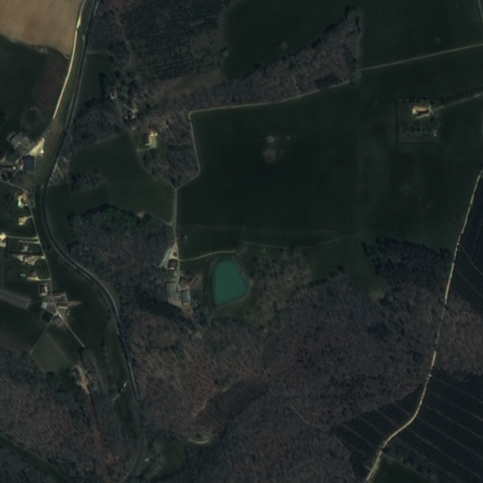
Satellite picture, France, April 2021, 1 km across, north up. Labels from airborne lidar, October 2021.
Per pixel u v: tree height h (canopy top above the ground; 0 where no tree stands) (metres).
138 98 12
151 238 18
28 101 0
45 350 0
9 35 0
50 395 7
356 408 10
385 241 0
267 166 0
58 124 0
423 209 0
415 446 9
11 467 16
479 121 0
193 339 14
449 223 0
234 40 0
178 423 16
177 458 0
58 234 0
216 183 0
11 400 18
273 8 0
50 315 0
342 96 0
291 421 8
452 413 10
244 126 0
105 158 0
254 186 0
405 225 0
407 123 7
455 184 0
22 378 22
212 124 0
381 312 17
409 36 0
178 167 19
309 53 11
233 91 12
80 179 16
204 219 0
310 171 0
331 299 18
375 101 0
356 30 6
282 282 15
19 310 0
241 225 0
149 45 6
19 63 0
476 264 9
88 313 0
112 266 19
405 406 8
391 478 0
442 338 17
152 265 17
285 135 0
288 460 12
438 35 0
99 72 0
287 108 0
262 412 6
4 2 0
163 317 20
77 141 15
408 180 0
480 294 9
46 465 0
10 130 0
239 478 16
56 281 0
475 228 9
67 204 0
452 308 15
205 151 0
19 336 0
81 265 14
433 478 20
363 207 0
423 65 0
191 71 7
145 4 9
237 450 17
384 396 11
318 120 0
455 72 0
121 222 21
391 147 0
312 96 0
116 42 16
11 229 0
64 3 0
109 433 14
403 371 9
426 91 0
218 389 24
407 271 22
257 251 0
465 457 10
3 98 0
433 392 8
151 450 16
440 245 0
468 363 14
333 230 0
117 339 0
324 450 14
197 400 14
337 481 9
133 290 17
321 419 7
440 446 9
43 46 0
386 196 0
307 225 0
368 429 9
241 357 20
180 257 0
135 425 10
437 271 22
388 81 0
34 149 0
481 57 0
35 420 19
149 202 0
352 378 10
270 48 0
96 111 23
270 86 12
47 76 0
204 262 0
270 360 10
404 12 0
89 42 19
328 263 0
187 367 13
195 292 0
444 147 0
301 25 0
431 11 0
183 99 16
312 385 9
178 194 0
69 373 15
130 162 0
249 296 0
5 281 0
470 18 0
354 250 0
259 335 22
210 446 18
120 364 0
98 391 19
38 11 0
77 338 0
